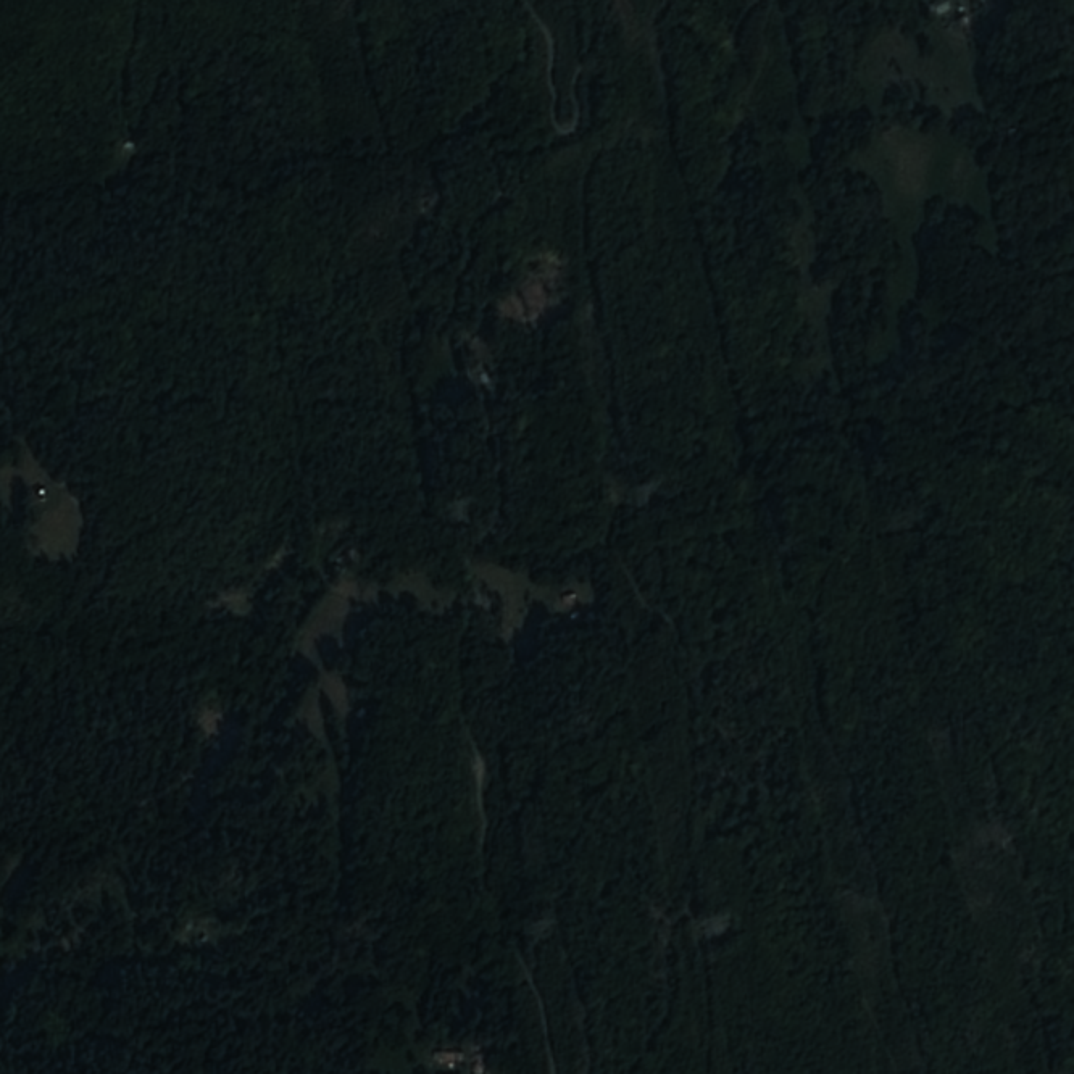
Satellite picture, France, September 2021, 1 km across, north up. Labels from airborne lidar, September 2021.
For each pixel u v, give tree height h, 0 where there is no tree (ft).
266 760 52
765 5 35
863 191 40
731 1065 40
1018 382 114
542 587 67
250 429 47
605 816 73
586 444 52
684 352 52
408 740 68
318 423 68
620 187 80
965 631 82
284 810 50
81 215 99
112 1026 98
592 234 65
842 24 97
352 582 0
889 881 50
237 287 69
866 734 65
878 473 81
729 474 108
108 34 40
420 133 75
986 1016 41
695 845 63
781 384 91
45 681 76
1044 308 71
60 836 54
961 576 72
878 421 99
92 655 98
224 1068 95
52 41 47
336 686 0
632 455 75
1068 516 85
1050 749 55
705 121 100
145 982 83
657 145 19
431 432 73
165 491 71
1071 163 77
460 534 67
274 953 71
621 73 106
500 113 87
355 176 37
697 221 58
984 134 75
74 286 96
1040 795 46
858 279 48
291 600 83
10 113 59
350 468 87
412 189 22
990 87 76
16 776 104
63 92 72
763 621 67
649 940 43
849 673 70
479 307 66
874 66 0
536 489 76
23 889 62
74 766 68
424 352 72
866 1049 50
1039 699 70
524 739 77
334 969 52
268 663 77
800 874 78
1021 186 67
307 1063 94
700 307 18
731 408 21
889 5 100
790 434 87
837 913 55
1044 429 108
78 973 108
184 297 90
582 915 60
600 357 89
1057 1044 67
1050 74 104
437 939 92
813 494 65
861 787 68
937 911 43
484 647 79
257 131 91
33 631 64
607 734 73
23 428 75
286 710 48
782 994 72
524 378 47
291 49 85
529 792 46
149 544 75
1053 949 64
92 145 74
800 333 60
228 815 87
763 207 82
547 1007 27
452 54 81
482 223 72
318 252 66
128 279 76
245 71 76
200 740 94
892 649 43
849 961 68
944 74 0
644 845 52
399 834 63
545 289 63
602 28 66
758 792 66
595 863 68
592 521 67
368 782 57
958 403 67
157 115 78
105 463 65
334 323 38
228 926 45
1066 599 77
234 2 69
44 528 0
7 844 79
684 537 77
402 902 90
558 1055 42
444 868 94
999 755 41
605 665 73
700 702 52
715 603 81
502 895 22
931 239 60
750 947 63
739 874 60
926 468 97
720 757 56
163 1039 109
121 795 87
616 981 57
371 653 81
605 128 61
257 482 77
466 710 59
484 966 90
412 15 81
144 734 80
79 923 62
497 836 37
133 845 98
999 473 112
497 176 33
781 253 104
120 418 76
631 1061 56
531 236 74
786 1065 73
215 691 95
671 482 78
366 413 60
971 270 77
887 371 0
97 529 63
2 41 56
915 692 51
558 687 78
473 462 57
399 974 88
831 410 89
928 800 49
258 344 54
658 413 93
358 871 49
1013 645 77
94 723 106
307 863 52
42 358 97
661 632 53
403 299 29
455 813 73
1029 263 82
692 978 21
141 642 84
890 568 28
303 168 112
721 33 87
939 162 0
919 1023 35
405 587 0
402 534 62
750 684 54
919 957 43
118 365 66
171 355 85
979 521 77
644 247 71
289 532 77
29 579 86
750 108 73
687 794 32
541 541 73
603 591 54
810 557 61
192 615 65
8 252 83
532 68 53
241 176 107
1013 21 111
